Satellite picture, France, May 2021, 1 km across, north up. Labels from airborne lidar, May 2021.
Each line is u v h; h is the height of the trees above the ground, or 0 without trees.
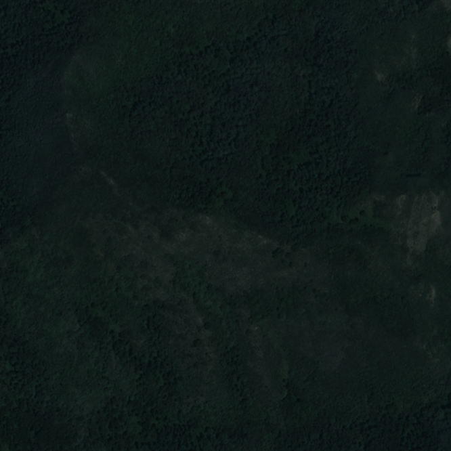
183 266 6
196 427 19
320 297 8
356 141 7
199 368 10
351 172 16
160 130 15
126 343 18
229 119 22
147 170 10
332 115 9
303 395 18
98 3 11
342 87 19
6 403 16
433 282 6
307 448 16
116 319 10
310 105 18
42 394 14
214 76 17
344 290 9
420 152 12
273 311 17
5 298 12
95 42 9
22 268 8
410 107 6
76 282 8
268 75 10
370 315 6
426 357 10
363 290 7
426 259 7
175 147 17
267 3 22
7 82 12
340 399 15
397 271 6
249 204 17
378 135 6
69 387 16
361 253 7
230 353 18
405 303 8
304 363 6
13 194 14
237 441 17
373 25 13
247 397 16
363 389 17
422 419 21
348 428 29
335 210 13
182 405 16
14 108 7
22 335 17
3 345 22
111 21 10
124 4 14
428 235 0
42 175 7
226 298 8
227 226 0
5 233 10
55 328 13
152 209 6
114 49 9
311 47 32
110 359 10
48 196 6
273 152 13
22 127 8
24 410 21
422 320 6
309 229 12
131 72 10
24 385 17
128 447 15
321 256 7
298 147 17
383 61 6
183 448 17
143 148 7
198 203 9
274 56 20
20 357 23
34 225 9
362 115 10
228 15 10
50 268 17
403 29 6
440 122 8
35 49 11
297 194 19
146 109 23
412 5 21
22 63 9
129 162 8
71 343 11
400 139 8
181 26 16
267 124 7
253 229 5
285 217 14
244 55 23
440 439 7
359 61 5
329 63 20
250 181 10
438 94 21
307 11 24
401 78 24
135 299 14
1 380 19
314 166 27
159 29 10
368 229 12
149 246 0
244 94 12
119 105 17
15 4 10
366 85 7
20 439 11
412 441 18
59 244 9
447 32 15
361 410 11
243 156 8
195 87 8
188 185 10
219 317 6
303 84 20
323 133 9
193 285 16
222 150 19
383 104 8
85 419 16
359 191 7
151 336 12
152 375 8
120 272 12
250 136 15
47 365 12
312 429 23
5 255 8
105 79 8
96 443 22
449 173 7
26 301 13
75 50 14
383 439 18
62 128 6
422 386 14
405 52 6
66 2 16
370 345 6
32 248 9
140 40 8
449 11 13
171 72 23
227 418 14
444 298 6
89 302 6
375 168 7
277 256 18
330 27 17
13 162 6
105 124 12
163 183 9
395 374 7
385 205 6
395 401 17
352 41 11
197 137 20
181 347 6
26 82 9
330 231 12
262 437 15
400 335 7
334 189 16
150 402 17
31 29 10
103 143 7
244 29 14
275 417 13
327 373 6
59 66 9
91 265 6
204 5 10
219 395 5
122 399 9
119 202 6
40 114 8
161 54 14
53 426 33
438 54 14
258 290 7
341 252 7
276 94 10
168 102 18
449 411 18
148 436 16
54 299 12
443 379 14
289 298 6
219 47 23
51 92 6
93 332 13
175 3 13
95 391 8
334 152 9
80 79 10
